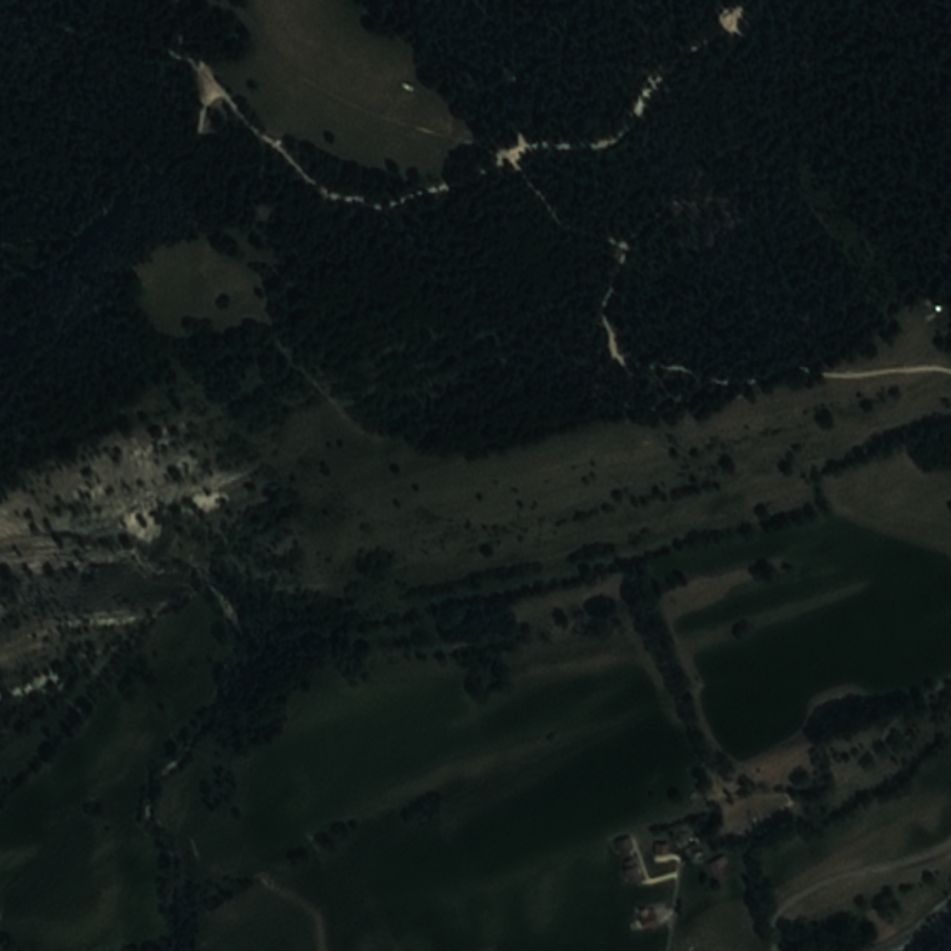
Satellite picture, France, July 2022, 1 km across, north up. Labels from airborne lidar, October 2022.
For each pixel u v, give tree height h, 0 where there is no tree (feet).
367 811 0
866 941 58
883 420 0
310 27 0
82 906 0
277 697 45
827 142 24
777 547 0
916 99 26
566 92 103
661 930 0
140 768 0
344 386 18
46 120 88
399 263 73
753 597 0
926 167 74
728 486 0
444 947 0
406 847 0
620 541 0
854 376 0
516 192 60
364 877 0
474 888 0
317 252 61
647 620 61
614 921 0
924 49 18
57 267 95
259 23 0
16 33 100
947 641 0
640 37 49
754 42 50
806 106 22
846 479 0
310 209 73
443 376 38
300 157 67
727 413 0
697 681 0
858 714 81
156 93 73
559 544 0
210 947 0
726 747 0
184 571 25
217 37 58
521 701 0
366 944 0
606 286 28
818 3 62
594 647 0
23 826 0
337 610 25
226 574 28
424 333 42
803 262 67
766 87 62
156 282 0
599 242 49
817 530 0
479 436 59
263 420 20
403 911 0
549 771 0
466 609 33
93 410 43
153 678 65
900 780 53
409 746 0
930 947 93
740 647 0
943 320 0
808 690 0
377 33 21
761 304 83
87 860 0
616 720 0
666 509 0
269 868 0
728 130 79
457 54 48
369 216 82
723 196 40
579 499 0
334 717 0
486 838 0
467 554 0
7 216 50
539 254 60
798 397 0
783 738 0
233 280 0
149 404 0
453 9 89
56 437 18
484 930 0
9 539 0
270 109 0
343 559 0
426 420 60
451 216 52
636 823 0
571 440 0
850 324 47
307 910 0
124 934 0
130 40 70
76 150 74
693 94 63
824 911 0
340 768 0
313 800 0
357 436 0
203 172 52
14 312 80
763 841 57
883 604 0
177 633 0
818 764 53
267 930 0
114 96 93
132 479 0
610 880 0
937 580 0
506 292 57
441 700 0
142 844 0
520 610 0
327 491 0
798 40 64
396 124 0
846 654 0
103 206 57
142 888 0
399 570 0
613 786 0
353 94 0
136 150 68
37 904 0
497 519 0
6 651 0
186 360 39
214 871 0
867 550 0
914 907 0
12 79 56
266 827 0
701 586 0
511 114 89
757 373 40
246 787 0
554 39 96
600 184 27
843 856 0
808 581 0
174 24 65
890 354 0
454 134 0
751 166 55
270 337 40
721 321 36
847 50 54
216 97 0
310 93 0
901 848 0
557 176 77
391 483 0
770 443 0
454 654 22
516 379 48
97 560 0
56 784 0
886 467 0
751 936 0
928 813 0
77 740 0
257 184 65
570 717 0
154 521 41
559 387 68
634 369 82
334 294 54
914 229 69
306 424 0
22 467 25
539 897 0
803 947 107
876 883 0
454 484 0
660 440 0
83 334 66
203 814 0
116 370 55
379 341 38
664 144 58
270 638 53
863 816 0
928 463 52
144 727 0
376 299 41
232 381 56
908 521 0
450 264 21
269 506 27
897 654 0
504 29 49
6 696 53
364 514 0
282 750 0
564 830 0
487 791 0
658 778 0
